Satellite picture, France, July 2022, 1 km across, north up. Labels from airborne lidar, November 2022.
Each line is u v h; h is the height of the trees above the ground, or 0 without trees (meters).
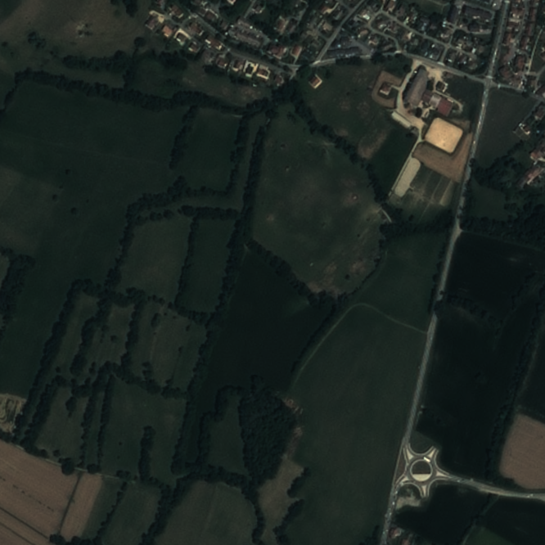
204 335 0
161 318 11
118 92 18
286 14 7
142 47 16
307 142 0
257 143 8
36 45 14
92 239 0
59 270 0
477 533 0
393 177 0
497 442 14
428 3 0
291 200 0
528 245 12
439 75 0
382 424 0
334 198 0
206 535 0
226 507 0
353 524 0
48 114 0
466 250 0
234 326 0
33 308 0
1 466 0
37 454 15
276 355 0
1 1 0
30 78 15
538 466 0
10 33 0
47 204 0
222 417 22
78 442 0
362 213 0
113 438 0
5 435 18
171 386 11
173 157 13
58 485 0
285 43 15
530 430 0
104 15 0
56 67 0
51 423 0
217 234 0
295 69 0
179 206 0
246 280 0
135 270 0
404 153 0
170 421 0
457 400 0
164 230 0
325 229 0
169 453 0
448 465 0
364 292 0
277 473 16
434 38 7
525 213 9
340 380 0
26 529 0
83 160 0
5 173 0
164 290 0
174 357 0
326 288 0
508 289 0
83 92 17
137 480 15
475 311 19
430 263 0
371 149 0
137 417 0
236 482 22
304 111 21
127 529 0
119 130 0
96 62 16
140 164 0
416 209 0
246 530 0
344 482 0
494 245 0
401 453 0
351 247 0
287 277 10
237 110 10
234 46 7
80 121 0
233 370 0
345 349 0
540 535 0
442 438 0
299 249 0
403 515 0
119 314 0
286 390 0
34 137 0
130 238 21
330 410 0
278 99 19
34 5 0
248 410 20
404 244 0
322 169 0
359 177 0
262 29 13
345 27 7
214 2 8
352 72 0
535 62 0
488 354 0
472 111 0
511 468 0
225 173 0
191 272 6
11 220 0
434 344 0
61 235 0
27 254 0
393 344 0
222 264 0
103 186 0
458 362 0
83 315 0
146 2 0
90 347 13
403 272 0
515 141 0
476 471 0
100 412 0
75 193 0
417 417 0
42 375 14
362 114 0
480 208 0
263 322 0
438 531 0
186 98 21
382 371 0
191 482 22
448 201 0
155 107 23
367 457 0
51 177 0
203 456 10
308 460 0
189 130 17
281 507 0
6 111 8
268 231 0
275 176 0
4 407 0
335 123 0
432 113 7
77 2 0
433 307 10
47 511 0
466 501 0
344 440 0
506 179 20
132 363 13
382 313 0
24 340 0
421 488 0
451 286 0
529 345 10
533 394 0
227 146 0
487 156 0
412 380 0
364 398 0
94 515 0
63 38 0
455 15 0
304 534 0
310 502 0
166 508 17
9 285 17
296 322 0
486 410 0
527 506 0
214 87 0
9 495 0
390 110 0
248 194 9
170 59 19
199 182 0
